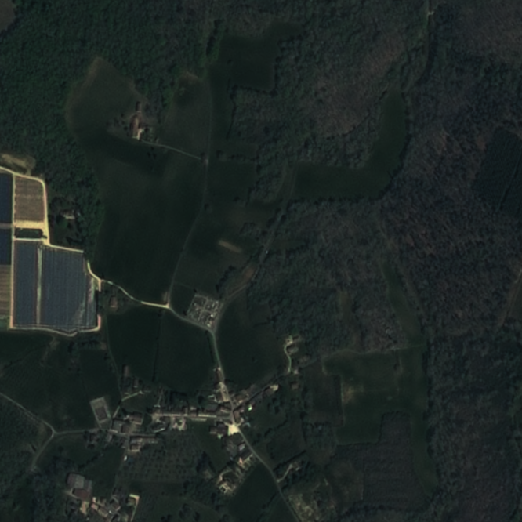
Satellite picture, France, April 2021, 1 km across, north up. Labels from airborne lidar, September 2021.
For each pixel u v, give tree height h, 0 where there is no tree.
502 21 16
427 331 21
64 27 24
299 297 10
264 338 0
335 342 20
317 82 14
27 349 0
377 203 18
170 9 17
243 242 0
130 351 0
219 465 0
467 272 19
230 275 15
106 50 21
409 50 21
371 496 6
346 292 18
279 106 22
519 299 0
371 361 0
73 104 0
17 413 23
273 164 17
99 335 7
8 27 0
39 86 22
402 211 22
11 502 19
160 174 0
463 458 7
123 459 0
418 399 0
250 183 0
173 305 0
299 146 21
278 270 15
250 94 16
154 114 19
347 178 0
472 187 13
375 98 6
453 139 24
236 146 0
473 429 7
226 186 0
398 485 7
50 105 22
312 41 18
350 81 18
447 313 22
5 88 20
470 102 18
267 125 7
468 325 16
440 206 12
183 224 0
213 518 0
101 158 0
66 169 22
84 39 15
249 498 0
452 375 8
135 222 0
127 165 0
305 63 15
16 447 27
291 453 0
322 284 10
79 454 0
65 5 24
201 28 22
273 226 17
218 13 20
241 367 0
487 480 6
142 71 16
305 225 16
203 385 0
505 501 8
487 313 19
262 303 15
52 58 21
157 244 0
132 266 0
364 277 17
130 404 0
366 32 25
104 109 0
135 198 0
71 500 10
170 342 0
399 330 20
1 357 0
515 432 20
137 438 0
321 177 0
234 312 0
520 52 18
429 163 17
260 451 0
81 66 17
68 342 0
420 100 11
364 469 7
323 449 16
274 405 10
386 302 23
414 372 0
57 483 11
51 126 19
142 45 24
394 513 20
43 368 10
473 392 7
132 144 0
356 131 17
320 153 18
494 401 6
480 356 18
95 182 23
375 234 20
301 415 0
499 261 24
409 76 24
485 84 22
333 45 19
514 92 16
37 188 0
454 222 22
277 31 0
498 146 14
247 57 0
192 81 0
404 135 0
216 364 9
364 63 17
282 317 13
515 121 13
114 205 0
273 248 0
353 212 21
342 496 0
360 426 0
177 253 0
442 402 21
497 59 19
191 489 17
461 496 7
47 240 0
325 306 21
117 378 0
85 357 0
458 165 24
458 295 20
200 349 0
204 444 0
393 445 7
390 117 0
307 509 0
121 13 25
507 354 7
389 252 19
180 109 0
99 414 0
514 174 14
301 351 0
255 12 19
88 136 0
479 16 15
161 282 0
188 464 7
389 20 21
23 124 18
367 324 20
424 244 24
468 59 21
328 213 17
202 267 0
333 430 18
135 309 0
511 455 6
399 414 5
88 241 18
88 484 0
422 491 7
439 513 24
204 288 0
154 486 0
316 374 0
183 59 22
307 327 18
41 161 16
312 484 9
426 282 18
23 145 16
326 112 16
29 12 18
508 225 24
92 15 24
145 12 17
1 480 18
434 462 19
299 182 0
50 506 12
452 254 23
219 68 0
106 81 0
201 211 0
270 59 0
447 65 14
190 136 0
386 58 17
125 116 8
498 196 18
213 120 0
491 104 23
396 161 0
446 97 20
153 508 7
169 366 0
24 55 25
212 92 0
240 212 0
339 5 23
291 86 20
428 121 12
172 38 17
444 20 14
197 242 0
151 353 0
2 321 0
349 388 0
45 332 0
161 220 0
